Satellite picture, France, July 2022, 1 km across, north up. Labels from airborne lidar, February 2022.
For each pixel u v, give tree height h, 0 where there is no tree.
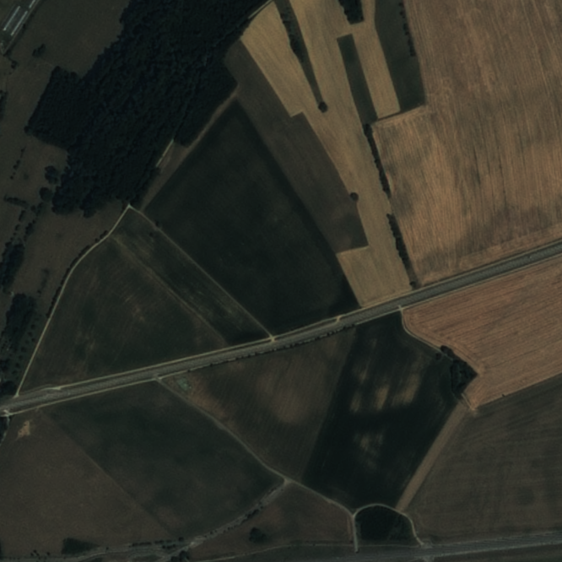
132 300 0
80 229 0
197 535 0
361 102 0
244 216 0
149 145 12
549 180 0
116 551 0
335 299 0
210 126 0
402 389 0
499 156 0
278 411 0
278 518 0
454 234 0
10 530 0
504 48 0
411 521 0
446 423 0
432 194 0
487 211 0
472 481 0
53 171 22
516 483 0
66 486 0
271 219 0
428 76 0
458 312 0
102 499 0
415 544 0
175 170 0
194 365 0
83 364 0
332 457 0
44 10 0
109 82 12
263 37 0
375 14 0
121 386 0
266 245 0
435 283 0
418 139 0
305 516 0
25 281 0
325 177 0
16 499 0
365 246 0
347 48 0
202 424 0
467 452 0
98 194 21
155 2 26
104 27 0
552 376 0
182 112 18
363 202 0
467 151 0
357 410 0
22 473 0
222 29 5
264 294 0
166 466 0
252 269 0
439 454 0
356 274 0
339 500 0
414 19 0
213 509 0
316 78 0
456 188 0
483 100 0
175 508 0
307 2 0
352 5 17
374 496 0
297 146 0
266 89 0
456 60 0
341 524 0
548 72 0
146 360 0
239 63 0
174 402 0
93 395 0
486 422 0
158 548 0
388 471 0
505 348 0
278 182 0
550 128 0
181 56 25
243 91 0
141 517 0
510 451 0
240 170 0
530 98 0
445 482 0
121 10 0
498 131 0
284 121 0
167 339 0
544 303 0
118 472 0
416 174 0
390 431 0
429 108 0
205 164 0
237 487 0
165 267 0
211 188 0
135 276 0
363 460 0
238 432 0
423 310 0
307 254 0
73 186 29
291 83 0
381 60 0
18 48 0
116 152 9
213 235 0
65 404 0
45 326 0
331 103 0
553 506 0
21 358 6
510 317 0
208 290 0
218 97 24
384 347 0
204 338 0
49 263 0
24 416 0
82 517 0
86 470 0
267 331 0
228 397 0
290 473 0
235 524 0
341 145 0
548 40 0
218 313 0
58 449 0
